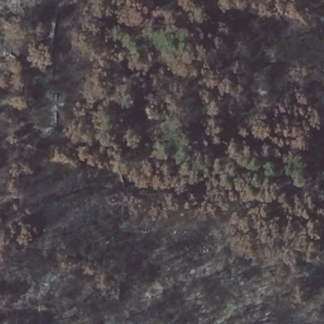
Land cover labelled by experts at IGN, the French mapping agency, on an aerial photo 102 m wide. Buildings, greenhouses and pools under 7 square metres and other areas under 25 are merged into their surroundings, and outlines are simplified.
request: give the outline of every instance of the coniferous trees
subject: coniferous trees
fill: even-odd
[[[8,311],[8,296],[0,295],[0,324],[59,324],[53,319],[51,311]]]
[[[37,40],[42,40],[42,27],[32,28],[32,24],[20,24],[24,8],[42,4],[43,0],[0,0],[0,108],[3,105],[11,105],[16,109],[23,109],[33,100],[32,96],[28,96],[27,87],[20,81],[20,65],[16,62],[23,42],[28,46],[28,61],[32,62],[33,67],[42,70],[51,63],[47,46],[34,48]]]
[[[0,168],[0,205],[13,199],[24,199],[23,194],[19,194],[14,187],[15,177],[20,173],[32,173],[33,170],[23,162],[15,163],[15,157],[22,154],[29,158],[33,147],[27,148],[28,142],[14,138],[16,130],[24,127],[23,121],[13,125],[13,119],[8,118],[5,113],[0,113],[0,120],[5,121],[10,142],[9,146],[4,148],[8,159],[5,166]]]
[[[144,223],[161,221],[162,224],[173,225],[200,223],[205,216],[220,215],[223,218],[221,227],[227,230],[235,249],[243,254],[246,261],[252,262],[253,266],[265,267],[271,271],[272,280],[282,291],[289,292],[292,301],[300,301],[304,297],[302,282],[304,277],[309,276],[309,272],[301,272],[296,268],[295,263],[310,262],[316,242],[318,239],[324,239],[324,187],[316,184],[313,173],[302,168],[301,156],[297,151],[310,142],[311,134],[320,128],[319,115],[324,113],[324,0],[57,0],[58,6],[76,5],[76,10],[63,20],[62,27],[72,28],[72,51],[81,58],[90,59],[92,71],[87,71],[82,80],[86,104],[73,105],[72,111],[75,116],[68,121],[67,128],[63,129],[65,137],[52,142],[53,162],[66,163],[77,170],[90,165],[127,177],[128,181],[125,181],[118,201],[120,215],[124,219],[138,218]]]
[[[57,109],[65,105],[66,100],[66,94],[57,97],[47,92],[47,99],[51,100],[53,105],[52,119],[48,128],[40,125],[34,127],[46,137],[56,127]]]
[[[13,205],[10,209],[11,214],[0,214],[0,262],[4,261],[10,246],[19,246],[25,251],[37,243],[44,218],[30,205]]]

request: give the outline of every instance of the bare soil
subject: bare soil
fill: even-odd
[[[313,173],[316,184],[324,187],[324,113],[319,115],[320,128],[311,134],[310,142],[297,151],[301,156],[302,168]]]
[[[5,166],[8,159],[4,148],[9,146],[10,142],[5,121],[0,120],[0,168]]]
[[[82,80],[87,71],[92,71],[90,59],[81,58],[72,51],[72,28],[62,27],[63,20],[76,10],[76,5],[58,6],[57,0],[43,0],[42,4],[24,8],[20,24],[32,24],[32,28],[42,27],[42,40],[37,40],[34,48],[47,46],[51,63],[42,70],[33,67],[32,62],[28,61],[28,46],[23,42],[16,62],[20,65],[20,81],[27,87],[28,96],[32,96],[33,100],[23,109],[16,109],[11,105],[3,105],[0,108],[0,113],[5,113],[8,118],[13,119],[13,125],[23,121],[24,127],[16,130],[14,138],[28,142],[27,148],[33,147],[29,158],[22,154],[15,157],[15,163],[23,162],[33,170],[32,173],[20,173],[15,177],[14,187],[19,194],[23,194],[24,199],[13,199],[0,205],[0,214],[11,214],[10,209],[13,205],[30,205],[44,218],[37,243],[25,251],[19,246],[10,246],[4,261],[0,262],[0,295],[8,296],[8,311],[51,311],[53,319],[59,324],[324,324],[324,239],[318,239],[316,242],[310,262],[295,263],[296,268],[301,272],[309,272],[309,276],[304,277],[302,282],[304,297],[300,301],[292,301],[289,292],[282,291],[272,280],[271,271],[265,267],[253,266],[252,262],[246,261],[243,254],[235,249],[227,230],[221,227],[223,218],[220,215],[205,216],[200,223],[173,225],[162,224],[161,221],[144,223],[138,218],[124,219],[120,215],[118,201],[125,181],[128,181],[127,177],[90,165],[77,170],[66,163],[53,162],[52,142],[65,137],[63,129],[67,128],[68,121],[75,116],[72,111],[73,105],[86,104]],[[56,127],[46,137],[34,127],[40,125],[48,128],[52,119],[53,105],[51,100],[47,99],[47,92],[57,97],[66,94],[66,100],[65,105],[57,109]]]

